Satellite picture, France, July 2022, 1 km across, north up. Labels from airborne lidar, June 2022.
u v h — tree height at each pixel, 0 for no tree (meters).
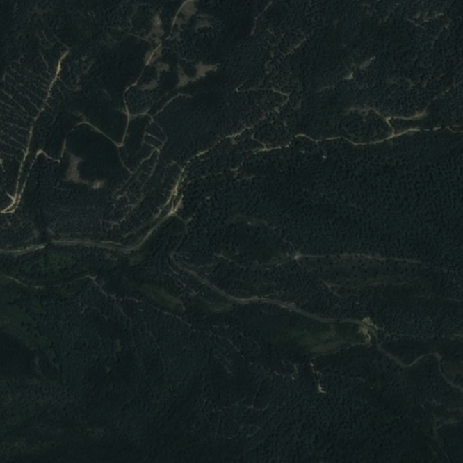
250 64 18
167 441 11
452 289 10
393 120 8
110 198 11
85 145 7
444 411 8
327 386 16
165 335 12
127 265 11
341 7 10
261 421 14
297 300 8
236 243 10
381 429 8
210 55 6
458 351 11
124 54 12
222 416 18
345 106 8
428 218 9
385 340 8
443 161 8
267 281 11
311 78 15
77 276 9
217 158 15
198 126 14
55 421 6
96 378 12
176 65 6
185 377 11
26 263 9
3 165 6
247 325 18
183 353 12
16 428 7
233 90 12
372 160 20
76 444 9
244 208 21
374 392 11
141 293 7
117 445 10
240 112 14
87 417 6
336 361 8
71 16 13
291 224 17
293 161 17
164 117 11
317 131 11
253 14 10
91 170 9
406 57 18
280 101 13
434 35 14
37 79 13
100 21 13
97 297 16
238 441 13
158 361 12
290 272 11
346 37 12
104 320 17
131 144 6
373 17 9
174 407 12
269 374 17
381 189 20
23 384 7
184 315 11
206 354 16
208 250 15
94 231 13
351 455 6
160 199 10
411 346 7
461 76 12
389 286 8
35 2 11
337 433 18
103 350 14
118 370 11
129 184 13
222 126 16
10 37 11
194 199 21
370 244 14
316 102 15
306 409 20
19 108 17
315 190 19
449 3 11
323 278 7
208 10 9
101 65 8
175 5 7
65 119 9
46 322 16
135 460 8
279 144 12
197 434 16
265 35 21
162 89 7
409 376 8
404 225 18
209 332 12
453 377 8
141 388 14
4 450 8
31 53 10
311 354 9
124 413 17
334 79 11
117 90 7
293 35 20
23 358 6
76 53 11
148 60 0
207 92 9
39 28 7
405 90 12
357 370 14
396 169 18
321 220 17
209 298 8
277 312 11
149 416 12
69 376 15
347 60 11
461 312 8
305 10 18
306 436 17
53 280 7
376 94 7
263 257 10
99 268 11
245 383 11
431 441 14
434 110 8
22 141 16
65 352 17
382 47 12
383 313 16
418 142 10
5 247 8
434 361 12
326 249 16
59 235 9
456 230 8
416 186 18
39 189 21
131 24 13
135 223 16
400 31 13
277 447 17
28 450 8
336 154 14
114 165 6
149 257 16
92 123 7
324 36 9
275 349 6
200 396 14
